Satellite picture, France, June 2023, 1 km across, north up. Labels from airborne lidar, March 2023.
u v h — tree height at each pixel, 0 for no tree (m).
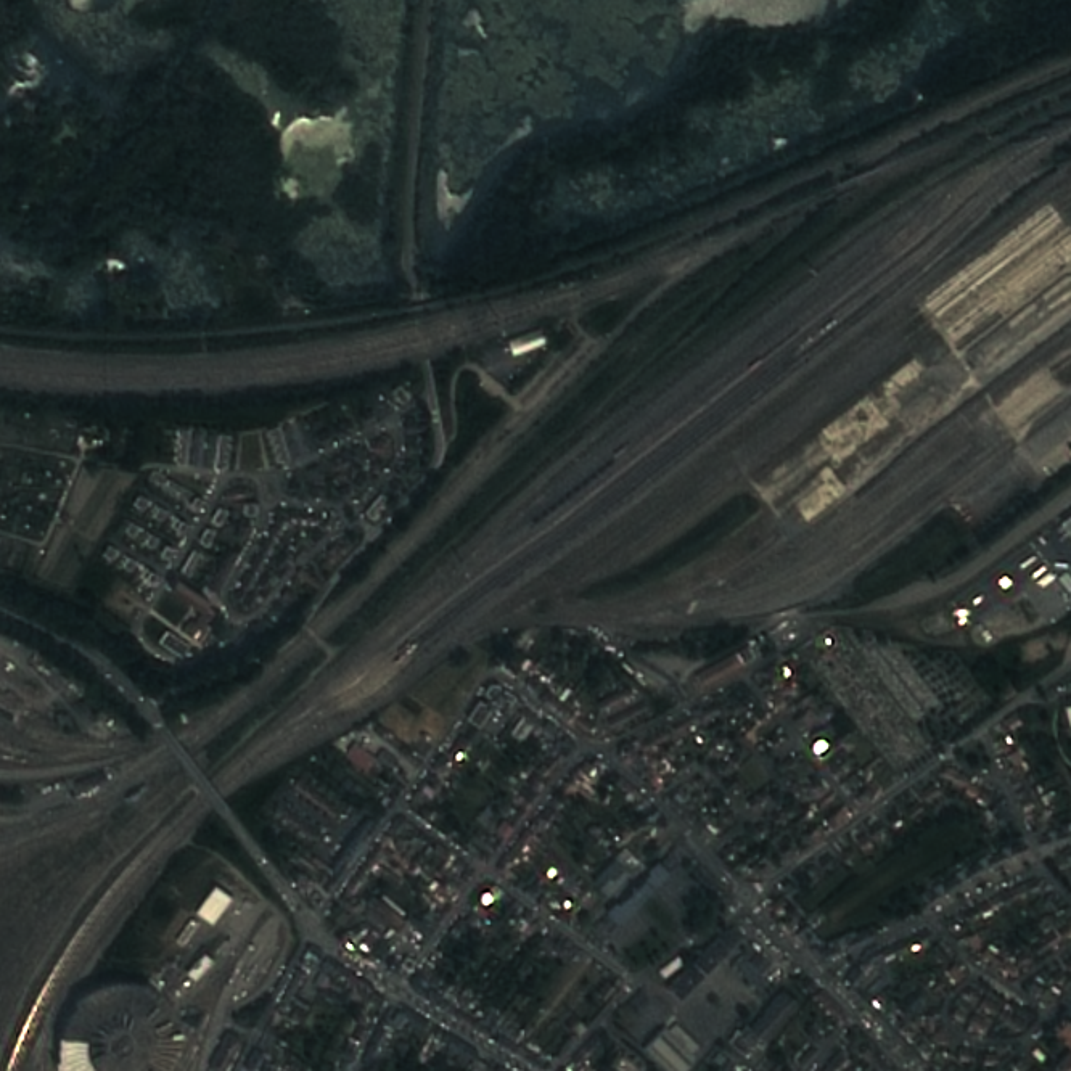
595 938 0
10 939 0
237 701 0
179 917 0
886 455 0
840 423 0
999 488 0
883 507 0
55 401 9
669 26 0
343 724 0
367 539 0
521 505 0
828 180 6
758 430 0
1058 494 0
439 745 0
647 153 14
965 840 0
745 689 6
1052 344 0
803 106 0
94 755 0
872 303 0
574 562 0
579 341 0
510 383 7
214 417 0
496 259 33
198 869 0
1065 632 0
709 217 0
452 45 0
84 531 0
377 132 0
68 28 0
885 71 0
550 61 0
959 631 0
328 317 0
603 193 0
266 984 0
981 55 12
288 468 0
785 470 0
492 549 0
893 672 0
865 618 0
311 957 0
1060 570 0
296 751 0
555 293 0
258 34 7
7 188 12
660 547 0
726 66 18
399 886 0
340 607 0
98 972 0
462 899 0
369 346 0
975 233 0
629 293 0
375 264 0
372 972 0
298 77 8
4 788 8
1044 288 0
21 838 0
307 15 8
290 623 14
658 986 0
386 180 0
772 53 14
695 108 0
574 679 0
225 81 5
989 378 0
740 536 0
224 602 0
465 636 0
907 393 0
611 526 0
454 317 0
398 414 0
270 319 0
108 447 11
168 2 0
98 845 0
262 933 0
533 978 8
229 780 0
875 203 5
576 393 0
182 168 11
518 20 0
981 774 0
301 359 0
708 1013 0
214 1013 0
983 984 6
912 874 0
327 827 0
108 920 0
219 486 0
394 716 0
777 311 0
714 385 0
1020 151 0
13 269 0
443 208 0
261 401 17
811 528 0
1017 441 0
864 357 0
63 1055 0
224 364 0
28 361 0
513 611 0
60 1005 0
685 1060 0
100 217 14
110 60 0
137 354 0
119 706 12
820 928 0
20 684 0
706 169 0
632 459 0
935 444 0
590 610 0
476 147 0
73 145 6
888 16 9
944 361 0
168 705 11
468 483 0
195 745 0
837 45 7
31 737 0
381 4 0
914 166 0
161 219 9
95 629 20
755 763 0
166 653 0
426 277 17
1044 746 7
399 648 0
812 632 0
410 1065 6
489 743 0
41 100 7
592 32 0
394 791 0
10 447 0
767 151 0
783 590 0
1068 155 9
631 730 0
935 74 25
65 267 8
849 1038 7
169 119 10
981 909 0
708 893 13
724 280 0
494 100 0
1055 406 0
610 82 0
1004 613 0
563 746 0
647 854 8
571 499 0
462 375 7
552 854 0
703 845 0
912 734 0
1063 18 28
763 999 0
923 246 0
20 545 0
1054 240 0
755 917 0
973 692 0
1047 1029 9
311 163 0
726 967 0
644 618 0
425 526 0
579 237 16
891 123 6
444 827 7
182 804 0
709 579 0
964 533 0
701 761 7
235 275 0
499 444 0
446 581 0
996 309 0
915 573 0
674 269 0
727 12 0
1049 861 8
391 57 0
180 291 0
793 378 0
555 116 0
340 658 0
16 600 14
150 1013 0
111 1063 0
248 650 18
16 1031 0
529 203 17
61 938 0
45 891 0
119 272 15
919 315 0
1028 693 0
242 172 8
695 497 0
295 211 6
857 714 0
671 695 0
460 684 0
